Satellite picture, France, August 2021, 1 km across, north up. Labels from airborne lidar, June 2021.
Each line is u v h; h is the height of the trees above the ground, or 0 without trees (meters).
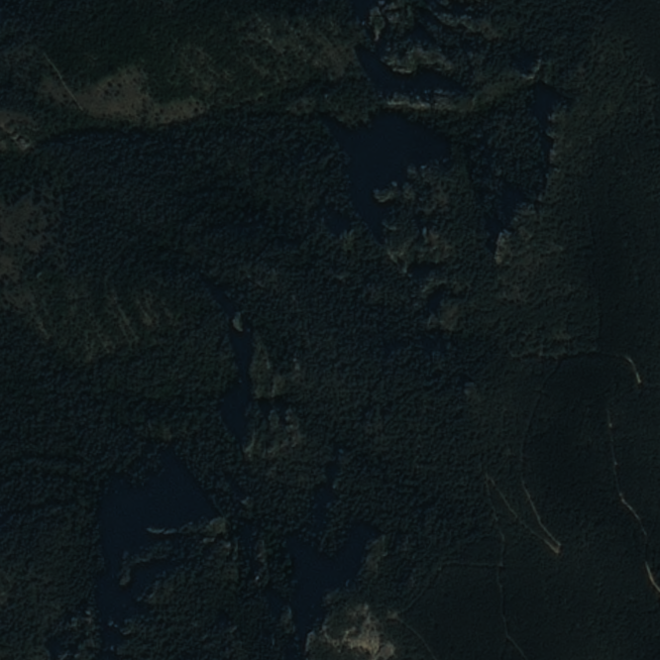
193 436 9
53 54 9
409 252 11
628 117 8
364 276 9
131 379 10
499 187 11
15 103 14
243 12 7
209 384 12
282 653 9
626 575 12
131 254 8
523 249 7
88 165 10
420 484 12
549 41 11
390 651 0
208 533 9
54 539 14
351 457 12
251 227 18
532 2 6
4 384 11
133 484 8
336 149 13
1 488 13
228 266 7
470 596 10
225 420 16
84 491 13
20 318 11
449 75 12
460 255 11
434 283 12
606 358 18
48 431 13
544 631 13
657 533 17
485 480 8
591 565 10
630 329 17
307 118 12
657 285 12
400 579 6
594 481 17
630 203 13
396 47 9
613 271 21
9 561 11
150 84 7
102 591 23
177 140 12
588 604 13
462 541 6
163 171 15
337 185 8
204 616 9
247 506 8
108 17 6
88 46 7
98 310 8
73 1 11
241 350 12
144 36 6
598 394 16
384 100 9
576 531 9
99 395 7
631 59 8
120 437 10
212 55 7
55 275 8
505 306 11
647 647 13
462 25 7
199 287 10
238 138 10
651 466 13
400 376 11
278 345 9
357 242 16
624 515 20
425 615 11
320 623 8
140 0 7
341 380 8
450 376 8
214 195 15
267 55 7
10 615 11
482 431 8
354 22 6
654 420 12
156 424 7
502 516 8
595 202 17
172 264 10
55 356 14
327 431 12
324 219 11
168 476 16
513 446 13
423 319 10
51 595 7
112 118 7
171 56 6
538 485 13
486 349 9
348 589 24
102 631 15
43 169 9
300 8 7
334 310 9
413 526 7
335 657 7
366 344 7
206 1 6
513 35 7
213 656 7
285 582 12
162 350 8
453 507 9
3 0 15
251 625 10
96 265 6
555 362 15
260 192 12
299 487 6
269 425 6
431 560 6
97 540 16
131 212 8
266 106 7
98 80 7
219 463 10
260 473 9
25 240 9
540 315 10
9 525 9
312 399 9
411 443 6
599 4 7
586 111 7
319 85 9
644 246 14
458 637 12
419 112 11
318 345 6
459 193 9
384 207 12
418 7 9
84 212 8
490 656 12
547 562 10
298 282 13
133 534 17
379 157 13
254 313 8
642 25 13
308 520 8
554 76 8
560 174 10
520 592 13
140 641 10
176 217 8
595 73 8
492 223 13
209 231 9
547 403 12
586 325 8
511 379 8
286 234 12
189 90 7
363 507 11
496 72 6
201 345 12
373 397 10
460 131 14
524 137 7
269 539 13
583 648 12
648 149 10
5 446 14
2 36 12
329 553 15
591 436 11
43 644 10
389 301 8
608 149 15
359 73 8
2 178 12
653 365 10
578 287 10
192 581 7
